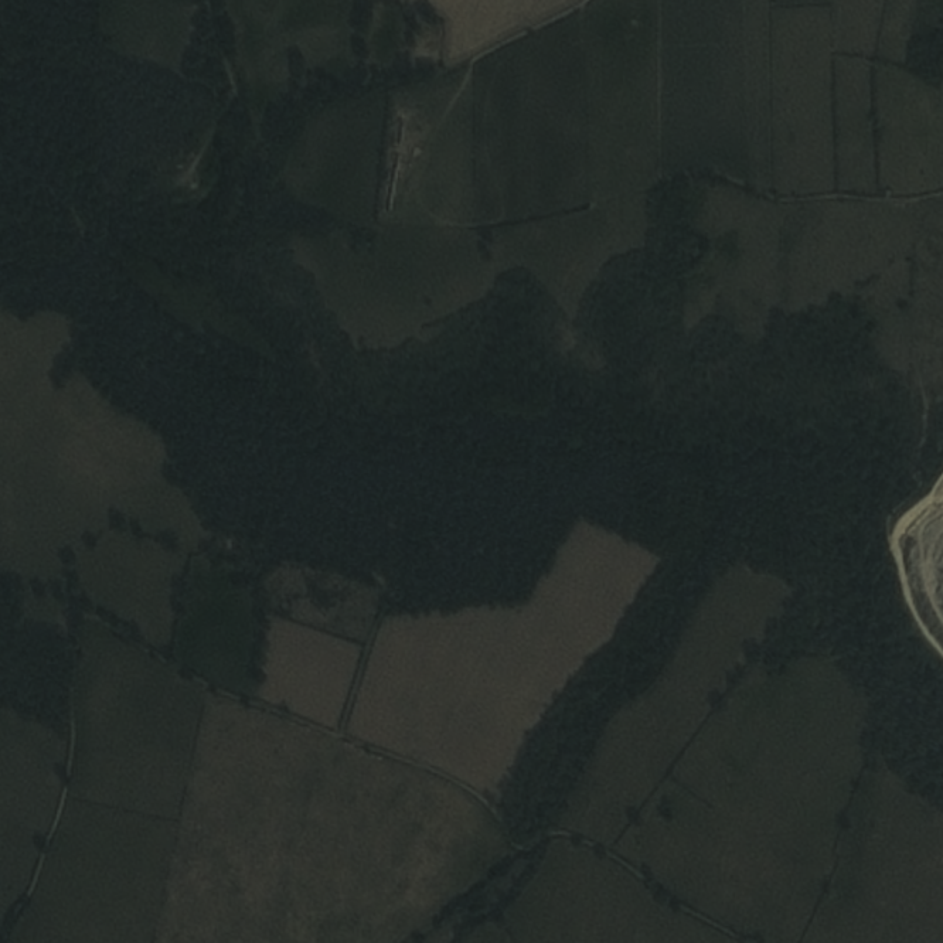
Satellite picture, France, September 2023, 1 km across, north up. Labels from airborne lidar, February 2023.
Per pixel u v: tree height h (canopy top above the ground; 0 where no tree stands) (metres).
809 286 0
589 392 14
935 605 0
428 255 0
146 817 0
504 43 0
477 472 15
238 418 25
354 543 23
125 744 0
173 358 31
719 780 0
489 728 0
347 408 18
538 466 31
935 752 22
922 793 10
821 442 21
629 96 0
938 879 0
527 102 0
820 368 18
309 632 0
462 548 25
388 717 0
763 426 24
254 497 20
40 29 21
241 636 0
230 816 0
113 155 13
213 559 15
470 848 0
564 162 0
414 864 0
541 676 0
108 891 0
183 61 8
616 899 0
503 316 18
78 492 0
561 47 0
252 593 13
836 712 0
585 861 0
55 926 0
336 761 0
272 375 16
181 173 0
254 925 0
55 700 14
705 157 0
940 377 0
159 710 0
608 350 8
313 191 0
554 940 0
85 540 9
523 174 0
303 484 24
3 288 17
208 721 0
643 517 9
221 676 0
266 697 0
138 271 0
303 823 0
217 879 0
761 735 0
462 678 0
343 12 0
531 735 12
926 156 0
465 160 0
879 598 19
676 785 0
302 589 0
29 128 14
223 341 14
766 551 9
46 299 22
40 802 0
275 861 0
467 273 0
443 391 20
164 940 0
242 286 15
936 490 0
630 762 0
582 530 0
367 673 0
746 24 0
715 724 0
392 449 20
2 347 0
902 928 0
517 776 14
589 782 0
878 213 0
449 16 0
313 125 0
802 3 0
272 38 0
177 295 0
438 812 0
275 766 0
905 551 0
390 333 0
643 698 0
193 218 13
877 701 12
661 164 0
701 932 0
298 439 22
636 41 0
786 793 0
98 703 0
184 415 25
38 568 0
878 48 0
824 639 17
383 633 0
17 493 0
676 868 0
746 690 0
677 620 13
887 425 15
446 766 0
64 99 26
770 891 0
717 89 0
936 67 11
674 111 0
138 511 0
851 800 0
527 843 10
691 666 0
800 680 0
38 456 0
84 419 0
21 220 16
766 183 0
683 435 18
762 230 0
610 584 0
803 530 16
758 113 0
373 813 0
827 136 0
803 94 0
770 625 13
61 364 13
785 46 0
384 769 0
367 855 0
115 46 0
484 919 6
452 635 0
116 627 9
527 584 14
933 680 23
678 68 0
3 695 20
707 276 0
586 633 0
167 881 0
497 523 25
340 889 0
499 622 0
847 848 0
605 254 0
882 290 0
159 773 0
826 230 0
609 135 0
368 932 0
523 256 0
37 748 0
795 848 0
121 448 0
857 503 28
